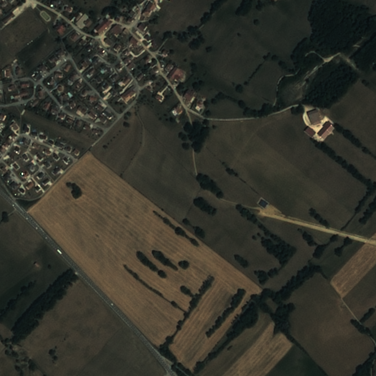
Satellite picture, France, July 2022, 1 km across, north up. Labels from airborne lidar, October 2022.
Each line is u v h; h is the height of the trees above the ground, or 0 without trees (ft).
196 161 0
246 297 0
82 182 0
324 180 0
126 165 0
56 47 0
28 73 0
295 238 0
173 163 0
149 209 0
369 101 0
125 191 0
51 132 0
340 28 38
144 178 0
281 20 0
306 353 22
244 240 0
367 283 0
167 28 0
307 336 0
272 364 0
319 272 61
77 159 0
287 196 0
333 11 59
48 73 0
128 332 0
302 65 51
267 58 48
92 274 0
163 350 42
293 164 0
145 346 0
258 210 0
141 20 0
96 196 0
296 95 0
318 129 0
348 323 0
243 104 57
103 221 0
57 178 0
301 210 0
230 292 0
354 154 0
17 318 0
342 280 0
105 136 0
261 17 0
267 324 0
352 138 46
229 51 0
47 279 0
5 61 0
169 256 0
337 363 0
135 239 0
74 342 0
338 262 0
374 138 0
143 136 0
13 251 0
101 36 0
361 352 0
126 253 0
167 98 27
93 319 0
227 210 0
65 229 0
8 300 0
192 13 0
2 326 0
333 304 0
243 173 0
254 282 0
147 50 0
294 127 0
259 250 0
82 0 0
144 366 0
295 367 0
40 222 0
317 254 60
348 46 42
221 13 0
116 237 0
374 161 0
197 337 0
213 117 0
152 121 0
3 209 0
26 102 0
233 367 0
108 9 41
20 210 0
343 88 56
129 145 0
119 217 0
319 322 0
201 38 55
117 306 0
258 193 0
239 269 0
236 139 0
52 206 0
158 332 0
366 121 0
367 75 0
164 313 0
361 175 50
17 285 0
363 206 32
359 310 0
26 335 48
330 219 0
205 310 0
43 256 0
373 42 60
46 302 59
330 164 0
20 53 0
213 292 0
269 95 0
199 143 68
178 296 0
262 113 52
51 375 0
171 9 0
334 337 0
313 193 0
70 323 0
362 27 75
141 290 0
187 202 0
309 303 0
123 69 0
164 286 0
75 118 0
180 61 0
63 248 0
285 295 64
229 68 0
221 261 0
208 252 0
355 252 0
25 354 0
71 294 0
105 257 0
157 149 0
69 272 37
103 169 0
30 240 0
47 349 0
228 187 0
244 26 0
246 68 0
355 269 0
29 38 0
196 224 0
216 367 0
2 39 0
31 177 0
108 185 0
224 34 0
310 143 0
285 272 0
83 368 0
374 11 0
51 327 0
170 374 0
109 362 0
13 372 0
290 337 41
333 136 0
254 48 0
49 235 0
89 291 0
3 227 0
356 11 46
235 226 0
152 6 0
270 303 0
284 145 0
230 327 0
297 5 0
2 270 0
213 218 0
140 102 21
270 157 0
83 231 0
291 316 0
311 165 0
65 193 0
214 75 0
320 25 58
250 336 0
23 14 0
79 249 0
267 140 0
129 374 0
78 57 0
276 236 34
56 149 0
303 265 0
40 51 0
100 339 0
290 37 0
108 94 0
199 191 0
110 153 0
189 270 0
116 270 0
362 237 0
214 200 0
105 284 0
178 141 0
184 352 0
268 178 0
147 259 48
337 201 0
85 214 0
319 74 25
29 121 0
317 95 34
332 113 0
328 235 0
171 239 0
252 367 0
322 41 38
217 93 0
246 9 62
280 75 0
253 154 0
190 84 0
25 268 0
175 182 0
